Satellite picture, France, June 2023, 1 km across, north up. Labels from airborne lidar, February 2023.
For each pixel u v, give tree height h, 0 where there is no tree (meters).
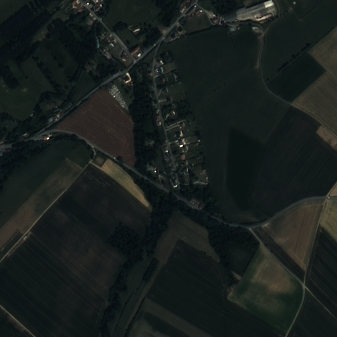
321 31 0
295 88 0
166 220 9
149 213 0
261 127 0
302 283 0
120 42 0
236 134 0
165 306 0
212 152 0
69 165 0
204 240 0
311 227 0
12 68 0
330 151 0
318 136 0
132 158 0
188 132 0
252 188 0
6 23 0
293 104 0
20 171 0
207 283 0
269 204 0
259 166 0
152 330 0
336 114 0
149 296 0
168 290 0
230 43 0
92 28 11
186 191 11
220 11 12
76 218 0
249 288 0
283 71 0
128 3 0
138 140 27
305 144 0
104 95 0
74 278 0
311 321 0
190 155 0
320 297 0
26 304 0
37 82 0
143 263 0
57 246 0
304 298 0
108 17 0
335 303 0
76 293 0
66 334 0
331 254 0
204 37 0
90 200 0
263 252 0
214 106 0
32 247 0
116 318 0
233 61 0
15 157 13
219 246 28
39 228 0
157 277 0
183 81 0
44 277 0
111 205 0
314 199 0
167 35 0
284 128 0
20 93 0
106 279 0
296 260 0
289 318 0
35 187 0
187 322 0
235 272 0
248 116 0
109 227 0
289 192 0
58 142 0
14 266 0
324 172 0
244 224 10
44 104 0
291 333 0
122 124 0
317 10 0
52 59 0
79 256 0
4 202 0
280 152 0
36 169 0
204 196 18
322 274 0
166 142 0
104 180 0
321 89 0
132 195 0
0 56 35
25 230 0
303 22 0
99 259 0
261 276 0
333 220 0
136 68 10
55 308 0
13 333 0
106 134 0
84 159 0
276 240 0
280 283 0
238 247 0
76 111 0
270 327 0
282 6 0
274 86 0
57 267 0
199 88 0
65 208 0
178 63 0
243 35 0
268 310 0
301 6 0
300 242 0
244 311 0
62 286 0
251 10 0
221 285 0
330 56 0
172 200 17
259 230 0
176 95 0
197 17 0
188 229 0
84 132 0
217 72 0
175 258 0
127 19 0
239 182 0
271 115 0
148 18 0
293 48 0
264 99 0
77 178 0
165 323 0
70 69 0
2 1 0
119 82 0
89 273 0
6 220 0
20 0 0
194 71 0
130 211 0
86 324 0
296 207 0
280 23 0
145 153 27
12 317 0
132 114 7
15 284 0
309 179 0
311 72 0
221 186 0
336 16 0
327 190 0
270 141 0
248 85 0
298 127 0
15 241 0
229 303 0
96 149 0
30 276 0
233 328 0
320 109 0
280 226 0
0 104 0
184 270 0
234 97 0
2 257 0
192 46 0
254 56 0
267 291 0
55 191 0
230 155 0
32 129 6
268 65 0
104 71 9
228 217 0
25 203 0
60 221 0
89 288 0
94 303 0
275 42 0
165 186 0
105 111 0
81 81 0
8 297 0
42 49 0
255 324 0
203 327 0
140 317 0
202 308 0
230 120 0
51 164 0
